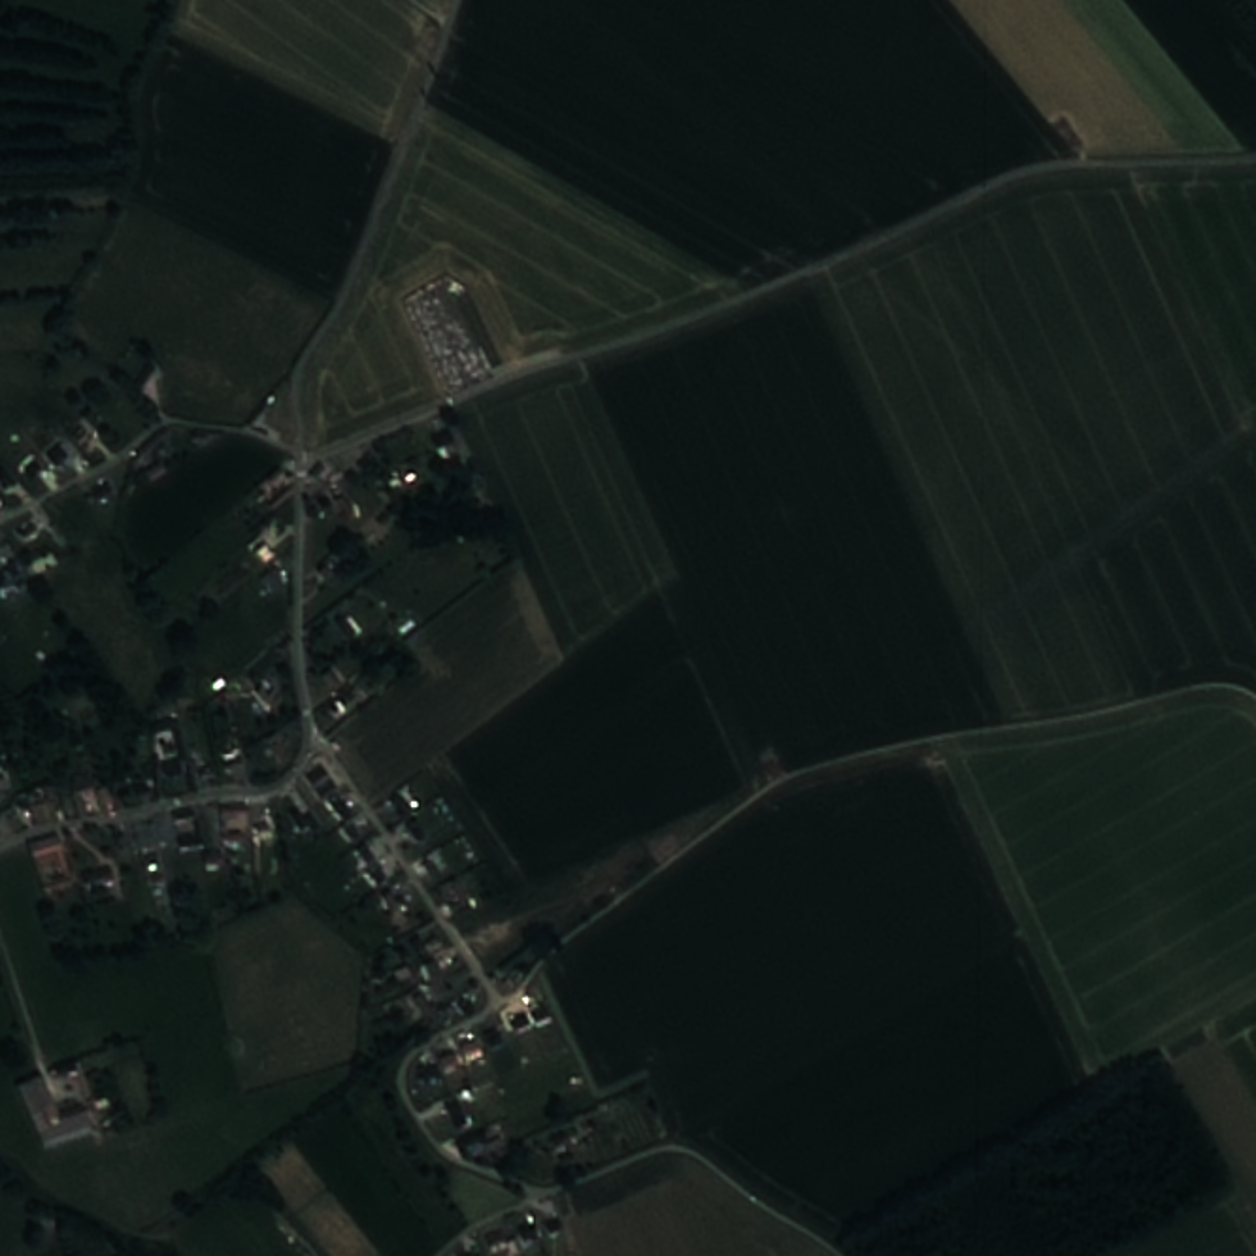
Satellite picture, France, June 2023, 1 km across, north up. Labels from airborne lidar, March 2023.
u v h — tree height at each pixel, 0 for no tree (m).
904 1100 0
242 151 0
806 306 0
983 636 0
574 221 0
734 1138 0
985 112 0
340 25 0
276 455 0
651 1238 0
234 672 0
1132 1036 0
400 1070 0
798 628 0
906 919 0
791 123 0
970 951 0
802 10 0
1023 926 0
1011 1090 0
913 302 0
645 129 0
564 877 0
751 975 0
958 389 0
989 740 0
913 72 0
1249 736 0
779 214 0
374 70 0
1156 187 0
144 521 0
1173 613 0
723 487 0
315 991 0
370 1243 0
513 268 0
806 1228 0
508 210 0
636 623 0
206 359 0
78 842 0
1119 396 0
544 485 0
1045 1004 0
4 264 0
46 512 0
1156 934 0
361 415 0
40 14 12
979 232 0
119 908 0
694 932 0
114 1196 0
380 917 0
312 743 0
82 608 0
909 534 0
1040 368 0
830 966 0
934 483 0
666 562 0
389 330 0
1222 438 0
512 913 0
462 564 0
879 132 0
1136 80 0
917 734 0
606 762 0
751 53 0
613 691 0
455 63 0
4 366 0
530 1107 0
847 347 0
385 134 0
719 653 0
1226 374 0
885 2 0
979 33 0
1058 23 0
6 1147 0
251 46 0
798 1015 0
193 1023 0
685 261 0
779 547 0
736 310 0
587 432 0
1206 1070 0
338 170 0
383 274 0
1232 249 0
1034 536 0
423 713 0
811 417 0
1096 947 0
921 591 0
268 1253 0
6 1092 0
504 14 0
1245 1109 0
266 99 0
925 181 0
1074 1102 19
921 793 0
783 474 0
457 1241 0
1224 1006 0
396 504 6
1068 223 0
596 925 0
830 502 0
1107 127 0
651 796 0
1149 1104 17
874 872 0
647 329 0
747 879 0
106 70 0
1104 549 0
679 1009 0
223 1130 0
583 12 0
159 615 18
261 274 0
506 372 0
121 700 7
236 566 0
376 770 0
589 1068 0
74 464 0
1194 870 0
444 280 0
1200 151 0
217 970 0
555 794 0
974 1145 0
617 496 0
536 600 0
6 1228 0
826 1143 0
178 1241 0
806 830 0
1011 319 0
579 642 0
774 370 0
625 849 0
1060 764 0
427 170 0
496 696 0
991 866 0
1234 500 0
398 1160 0
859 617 0
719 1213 0
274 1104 0
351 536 16
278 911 0
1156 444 0
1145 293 0
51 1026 0
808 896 0
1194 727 0
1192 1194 13
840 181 0
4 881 0
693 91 0
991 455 0
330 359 0
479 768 0
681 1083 0
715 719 0
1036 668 0
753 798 0
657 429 0
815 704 0
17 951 0
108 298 0
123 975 0
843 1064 0
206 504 0
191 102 0
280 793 0
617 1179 0
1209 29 0
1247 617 0
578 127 0
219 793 0
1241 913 0
